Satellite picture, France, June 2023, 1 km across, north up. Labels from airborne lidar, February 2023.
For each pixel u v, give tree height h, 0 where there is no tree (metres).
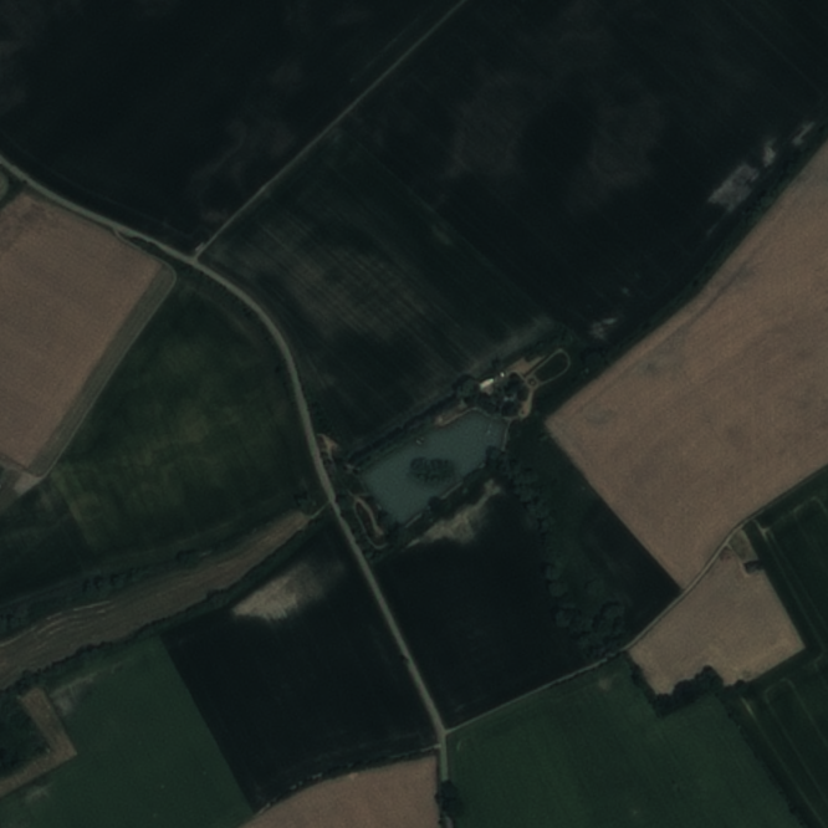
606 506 0
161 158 0
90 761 0
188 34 0
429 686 0
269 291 0
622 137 0
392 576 0
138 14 0
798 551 0
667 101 0
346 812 0
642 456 0
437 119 0
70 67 0
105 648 9
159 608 0
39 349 0
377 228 0
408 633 0
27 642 0
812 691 0
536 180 0
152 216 0
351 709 0
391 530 7
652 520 0
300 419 0
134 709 0
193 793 0
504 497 0
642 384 0
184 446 0
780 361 0
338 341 0
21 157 0
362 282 0
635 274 0
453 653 0
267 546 0
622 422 0
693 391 0
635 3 0
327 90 0
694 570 0
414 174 0
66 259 0
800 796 0
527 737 0
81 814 0
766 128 0
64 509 0
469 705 0
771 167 0
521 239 0
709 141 0
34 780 0
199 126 0
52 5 0
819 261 0
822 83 0
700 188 0
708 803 0
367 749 0
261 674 0
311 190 0
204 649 0
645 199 0
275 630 0
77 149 0
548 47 0
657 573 0
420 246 0
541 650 0
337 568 0
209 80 0
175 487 0
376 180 0
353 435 0
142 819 0
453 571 0
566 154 0
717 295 0
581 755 0
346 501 17
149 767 0
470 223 0
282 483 0
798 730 0
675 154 0
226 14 0
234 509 0
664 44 0
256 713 0
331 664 0
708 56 0
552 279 0
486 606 0
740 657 0
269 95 0
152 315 0
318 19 0
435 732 0
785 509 0
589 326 0
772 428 0
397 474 0
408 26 0
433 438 0
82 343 0
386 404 0
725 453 0
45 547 0
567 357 0
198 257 0
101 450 0
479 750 0
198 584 0
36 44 0
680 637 0
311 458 0
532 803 0
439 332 0
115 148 0
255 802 0
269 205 0
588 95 0
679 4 0
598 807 0
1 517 0
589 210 0
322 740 0
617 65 0
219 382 0
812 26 0
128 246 0
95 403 0
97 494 0
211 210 0
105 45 0
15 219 0
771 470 0
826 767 0
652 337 0
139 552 0
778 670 0
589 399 0
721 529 0
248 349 0
